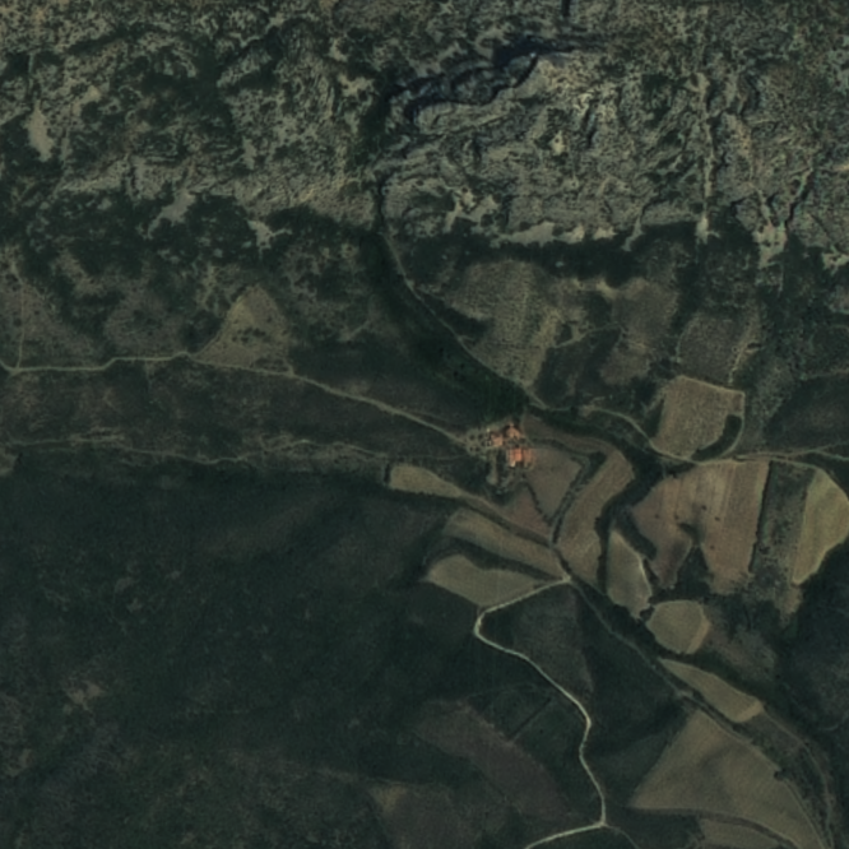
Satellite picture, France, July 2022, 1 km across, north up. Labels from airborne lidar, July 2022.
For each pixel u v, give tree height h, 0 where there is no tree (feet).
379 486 22
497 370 0
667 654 37
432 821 0
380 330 0
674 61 23
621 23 0
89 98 0
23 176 0
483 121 54
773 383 0
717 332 0
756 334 0
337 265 25
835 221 0
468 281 0
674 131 25
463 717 0
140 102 0
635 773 0
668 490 0
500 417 28
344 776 0
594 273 18
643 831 0
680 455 0
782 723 0
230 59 24
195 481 19
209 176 0
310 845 20
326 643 20
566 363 0
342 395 0
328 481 17
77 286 0
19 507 0
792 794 0
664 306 0
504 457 24
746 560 0
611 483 0
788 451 0
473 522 0
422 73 0
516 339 0
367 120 19
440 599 0
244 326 0
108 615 19
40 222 0
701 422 0
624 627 19
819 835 0
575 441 0
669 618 0
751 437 0
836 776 23
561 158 20
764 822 0
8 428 0
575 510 0
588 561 0
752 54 19
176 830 25
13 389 0
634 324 0
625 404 27
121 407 0
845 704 0
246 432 0
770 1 0
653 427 0
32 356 0
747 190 0
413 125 19
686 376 0
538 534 0
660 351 0
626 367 0
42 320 0
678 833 0
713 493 0
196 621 22
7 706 0
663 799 0
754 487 0
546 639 0
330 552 0
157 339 0
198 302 0
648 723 18
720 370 0
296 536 21
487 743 0
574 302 0
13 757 21
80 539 19
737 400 0
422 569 26
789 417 0
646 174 28
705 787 0
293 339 0
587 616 20
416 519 0
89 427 0
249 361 0
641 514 0
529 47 31
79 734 21
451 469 0
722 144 30
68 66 0
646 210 20
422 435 0
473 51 28
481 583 0
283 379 0
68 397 0
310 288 20
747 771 0
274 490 18
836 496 0
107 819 0
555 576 0
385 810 0
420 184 17
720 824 0
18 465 23
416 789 0
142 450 0
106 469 0
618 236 22
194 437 0
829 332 19
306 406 0
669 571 0
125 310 0
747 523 0
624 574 0
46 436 0
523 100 19
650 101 19
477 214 0
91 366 0
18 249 0
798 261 0
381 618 0
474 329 18
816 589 24
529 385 0
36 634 0
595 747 18
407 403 0
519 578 0
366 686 19
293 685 20
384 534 0
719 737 0
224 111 21
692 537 0
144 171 0
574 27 23
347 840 18
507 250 23
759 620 25
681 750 0
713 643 0
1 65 0
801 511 0
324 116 91
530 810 0
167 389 0
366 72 27
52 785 0
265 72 23
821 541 0
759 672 0
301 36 20
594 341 28
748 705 0
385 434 0
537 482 0
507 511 0
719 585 0
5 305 0
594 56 0
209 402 0
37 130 0
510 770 0
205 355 0
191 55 0
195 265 0
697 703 20
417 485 0
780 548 0
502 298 0
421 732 0
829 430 0
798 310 26
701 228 0
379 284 38
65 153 0
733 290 0
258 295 0
